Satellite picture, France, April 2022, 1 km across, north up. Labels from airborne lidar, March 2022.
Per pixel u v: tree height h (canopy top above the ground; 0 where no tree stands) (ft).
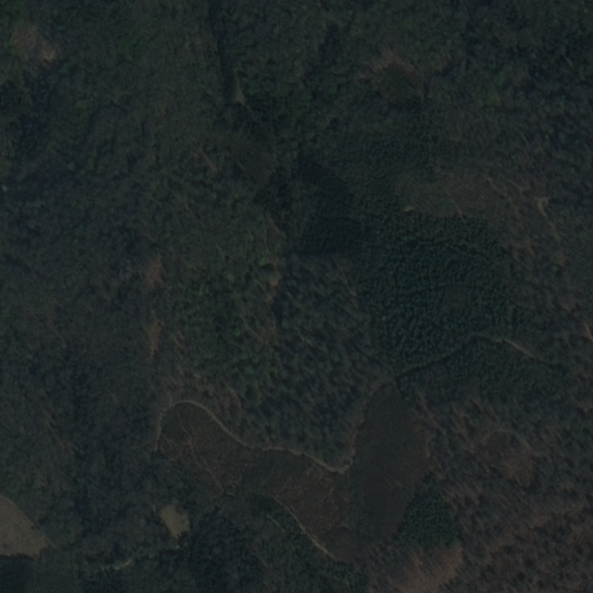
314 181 41
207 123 106
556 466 87
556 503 92
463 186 41
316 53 96
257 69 112
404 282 65
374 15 105
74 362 83
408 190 46
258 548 76
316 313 120
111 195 132
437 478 32
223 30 81
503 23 102
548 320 68
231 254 85
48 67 0
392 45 100
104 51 77
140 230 114
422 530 73
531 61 88
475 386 81
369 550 45
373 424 42
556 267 98
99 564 65
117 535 73
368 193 38
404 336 55
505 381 54
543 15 113
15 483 92
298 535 20
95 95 74
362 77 87
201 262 82
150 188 81
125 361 79
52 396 84
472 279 62
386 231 52
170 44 90
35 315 77
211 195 116
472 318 60
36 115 102
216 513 28
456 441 115
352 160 37
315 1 108
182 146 86
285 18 125
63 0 72
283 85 95
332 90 71
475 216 72
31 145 116
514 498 93
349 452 98
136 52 57
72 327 94
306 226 57
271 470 22
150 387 85
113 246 115
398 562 80
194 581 50
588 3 75
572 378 90
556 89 144
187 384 80
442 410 96
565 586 88
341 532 35
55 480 116
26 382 121
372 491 43
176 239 88
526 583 87
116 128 108
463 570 0
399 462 37
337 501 25
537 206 43
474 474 94
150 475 83
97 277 103
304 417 127
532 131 100
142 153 83
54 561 35
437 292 51
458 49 120
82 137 69
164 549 23
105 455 99
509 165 82
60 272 116
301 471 20
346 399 113
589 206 113
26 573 73
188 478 54
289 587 61
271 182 24
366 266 56
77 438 90
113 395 104
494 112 106
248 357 82
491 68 118
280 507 30
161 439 17
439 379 68
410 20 105
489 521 86
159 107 106
